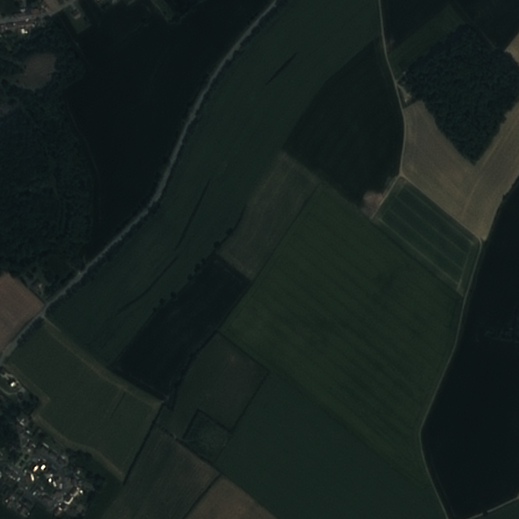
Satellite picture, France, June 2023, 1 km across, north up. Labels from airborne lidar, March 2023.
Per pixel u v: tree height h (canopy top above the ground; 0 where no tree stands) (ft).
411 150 0
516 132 0
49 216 78
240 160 0
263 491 0
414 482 0
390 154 0
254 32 33
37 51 40
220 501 0
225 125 0
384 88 0
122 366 0
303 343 0
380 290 0
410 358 0
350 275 0
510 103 73
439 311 0
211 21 0
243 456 0
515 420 0
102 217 0
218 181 0
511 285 0
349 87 0
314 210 0
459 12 0
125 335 0
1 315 0
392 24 0
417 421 0
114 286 0
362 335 0
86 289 0
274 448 0
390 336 0
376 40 0
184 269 0
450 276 0
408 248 0
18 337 0
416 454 0
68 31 0
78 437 0
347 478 0
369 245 0
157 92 0
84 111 0
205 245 0
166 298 0
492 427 0
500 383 0
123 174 0
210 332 0
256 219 0
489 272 0
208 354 0
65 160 85
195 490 0
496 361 0
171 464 0
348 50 0
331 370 0
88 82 0
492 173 0
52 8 0
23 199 60
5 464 0
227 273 0
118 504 0
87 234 85
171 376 0
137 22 0
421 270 0
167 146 0
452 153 0
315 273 0
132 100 0
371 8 0
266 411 0
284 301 0
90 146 0
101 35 0
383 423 0
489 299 0
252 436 0
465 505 0
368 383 0
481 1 0
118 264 0
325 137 0
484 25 0
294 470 0
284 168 0
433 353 0
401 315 0
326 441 0
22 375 0
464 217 0
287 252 0
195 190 0
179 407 0
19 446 31
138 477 0
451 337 0
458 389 0
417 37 0
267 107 0
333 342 0
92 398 0
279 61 0
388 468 0
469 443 0
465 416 0
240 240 0
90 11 0
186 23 0
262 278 0
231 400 0
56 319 0
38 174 58
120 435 0
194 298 0
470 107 94
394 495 0
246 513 0
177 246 0
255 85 0
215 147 0
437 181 0
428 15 0
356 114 0
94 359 0
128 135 0
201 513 0
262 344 0
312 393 0
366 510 0
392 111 0
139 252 0
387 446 0
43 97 52
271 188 0
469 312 0
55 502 0
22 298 0
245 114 0
